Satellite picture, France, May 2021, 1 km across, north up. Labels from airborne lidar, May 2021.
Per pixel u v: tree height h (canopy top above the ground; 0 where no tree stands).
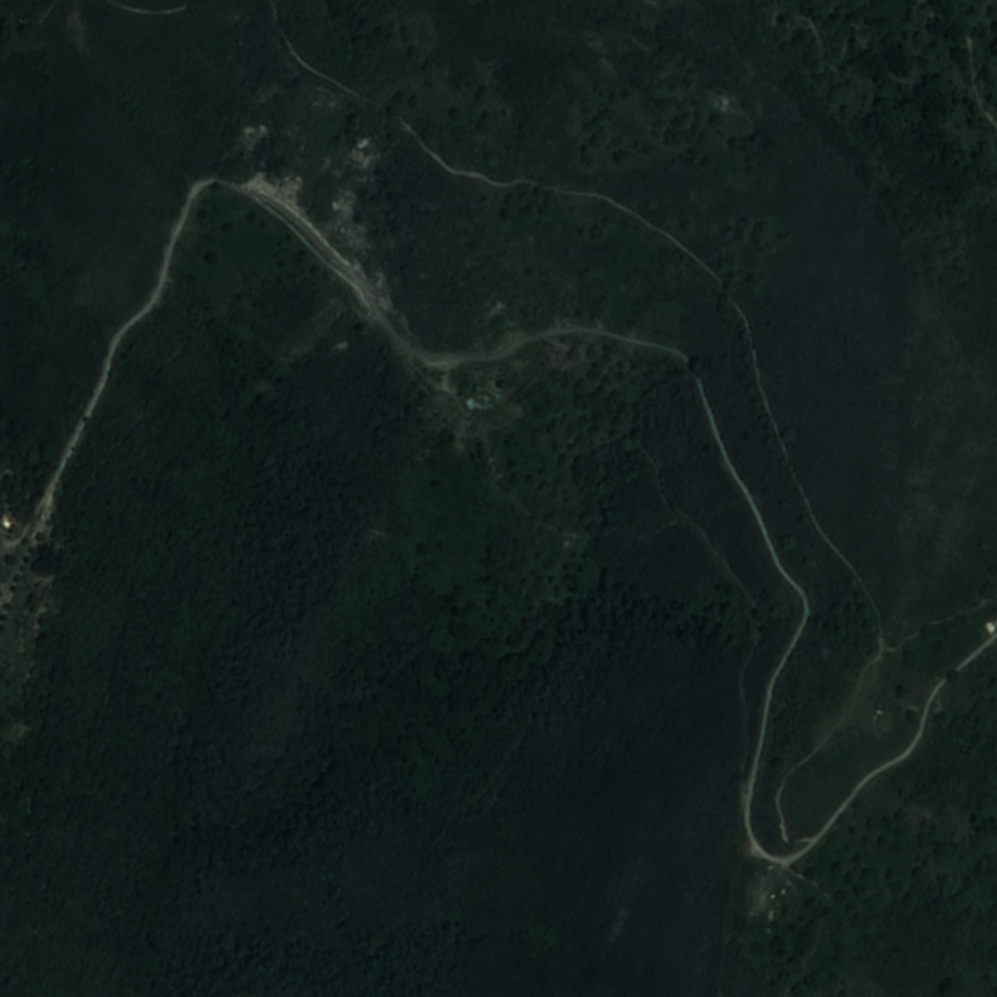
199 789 16
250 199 12
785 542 10
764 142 6
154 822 19
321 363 5
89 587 8
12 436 7
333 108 0
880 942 6
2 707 9
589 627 11
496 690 25
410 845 6
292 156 7
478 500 7
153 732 15
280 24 6
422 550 11
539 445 14
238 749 9
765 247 15
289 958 16
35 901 8
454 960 6
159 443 10
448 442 7
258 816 24
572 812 6
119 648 12
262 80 7
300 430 7
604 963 7
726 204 0
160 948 18
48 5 7
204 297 6
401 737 25
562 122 7
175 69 6
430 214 7
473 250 13
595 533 11
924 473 0
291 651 6
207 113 6
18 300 9
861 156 9
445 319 0
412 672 19
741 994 0
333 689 12
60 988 10
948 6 19
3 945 14
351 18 8
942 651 16
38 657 10
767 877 0
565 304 7
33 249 12
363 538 6
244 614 14
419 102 9
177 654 19
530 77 6
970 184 12
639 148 10
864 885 12
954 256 12
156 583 13
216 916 8
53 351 7
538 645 15
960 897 14
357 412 7
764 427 6
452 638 17
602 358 14
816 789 0
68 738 16
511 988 5
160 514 15
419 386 7
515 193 14
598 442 10
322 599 7
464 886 6
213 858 21
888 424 0
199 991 17
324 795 21
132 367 14
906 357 0
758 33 10
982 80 10
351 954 9
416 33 12
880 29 10
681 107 15
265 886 9
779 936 7
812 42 12
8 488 8
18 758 13
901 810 7
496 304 0
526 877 5
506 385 12
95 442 7
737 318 7
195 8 7
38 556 8
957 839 13
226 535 15
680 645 10
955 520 0
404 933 10
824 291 0
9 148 9
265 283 6
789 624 5
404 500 6
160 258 6
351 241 0
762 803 0
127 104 13
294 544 15
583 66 6
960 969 11
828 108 11
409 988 12
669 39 8
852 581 11
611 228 8
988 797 8
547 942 7
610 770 6
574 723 6
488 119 13
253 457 18
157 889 25
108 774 15
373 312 0
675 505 10
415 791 7
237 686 9
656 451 6
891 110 15
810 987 18
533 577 7
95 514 11
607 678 9
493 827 6
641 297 0
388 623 7
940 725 11
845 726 0
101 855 7
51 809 11
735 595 11
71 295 5
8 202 8
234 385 18
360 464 7
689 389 5
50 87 6
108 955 10
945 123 16
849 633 6
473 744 10
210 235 7
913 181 9
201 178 11
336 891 12
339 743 28
